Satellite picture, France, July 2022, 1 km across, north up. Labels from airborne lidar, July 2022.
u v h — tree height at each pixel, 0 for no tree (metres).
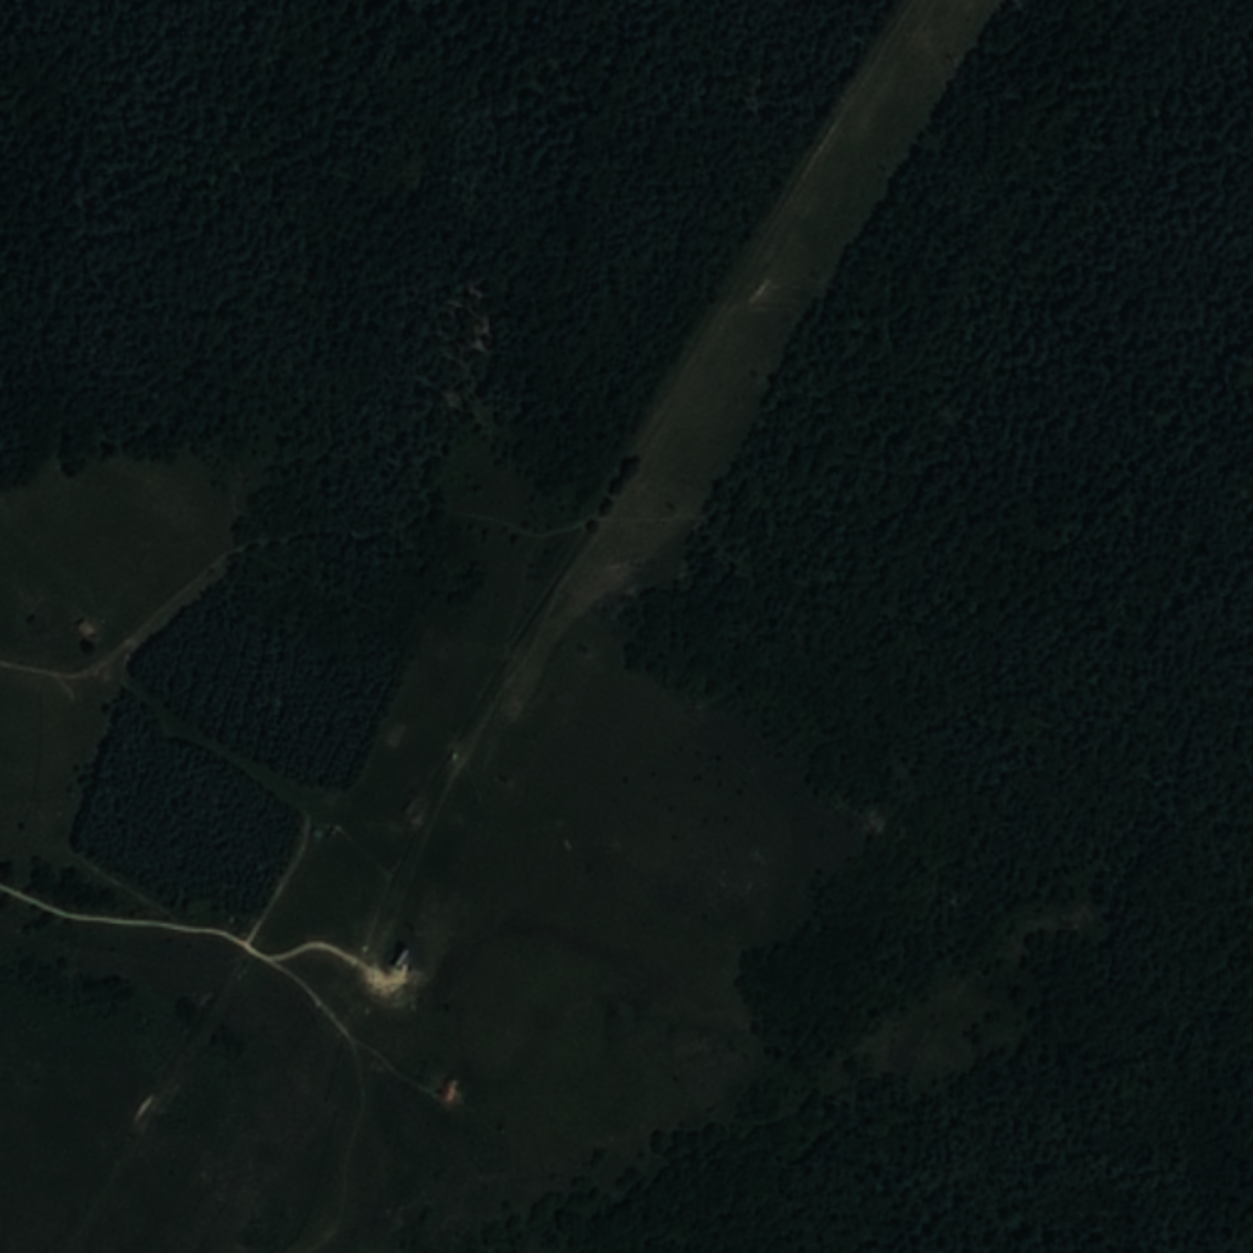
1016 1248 23
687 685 5
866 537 15
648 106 21
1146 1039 8
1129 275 25
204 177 11
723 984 0
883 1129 13
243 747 15
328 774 10
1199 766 16
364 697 15
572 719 0
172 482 0
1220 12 20
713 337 0
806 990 13
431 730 0
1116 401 27
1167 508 22
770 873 0
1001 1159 18
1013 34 14
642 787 0
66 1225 0
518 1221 11
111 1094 0
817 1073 6
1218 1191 13
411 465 18
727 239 15
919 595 20
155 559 0
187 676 15
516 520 0
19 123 9
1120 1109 22
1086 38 18
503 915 0
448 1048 0
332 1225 0
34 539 0
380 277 13
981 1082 10
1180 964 16
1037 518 9
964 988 0
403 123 18
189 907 8
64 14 13
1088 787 16
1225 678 17
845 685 12
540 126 20
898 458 15
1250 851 18
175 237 18
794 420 11
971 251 22
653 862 0
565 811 0
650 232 18
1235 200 23
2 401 13
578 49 19
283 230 17
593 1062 0
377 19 17
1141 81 20
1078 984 12
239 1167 0
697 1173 14
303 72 19
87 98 16
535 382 12
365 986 0
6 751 0
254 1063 0
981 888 17
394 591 11
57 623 0
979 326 15
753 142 18
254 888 15
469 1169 0
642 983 0
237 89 17
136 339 20
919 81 0
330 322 9
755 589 12
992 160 15
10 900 6
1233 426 26
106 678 0
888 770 9
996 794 17
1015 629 17
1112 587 18
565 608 0
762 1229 12
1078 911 0
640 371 18
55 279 20
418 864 0
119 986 8
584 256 18
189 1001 7
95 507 0
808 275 0
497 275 15
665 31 18
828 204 0
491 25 16
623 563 0
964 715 6
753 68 21
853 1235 17
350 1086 0
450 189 18
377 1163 0
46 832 0
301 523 8
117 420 19
